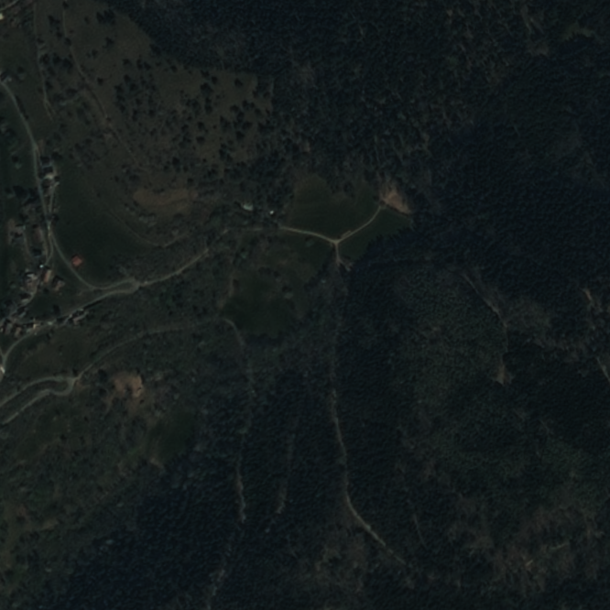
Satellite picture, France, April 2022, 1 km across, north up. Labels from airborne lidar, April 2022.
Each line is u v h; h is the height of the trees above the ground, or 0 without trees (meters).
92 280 0
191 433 0
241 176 16
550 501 11
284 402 12
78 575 17
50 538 14
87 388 0
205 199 15
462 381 17
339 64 34
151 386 21
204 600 15
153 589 29
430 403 13
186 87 0
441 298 17
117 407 21
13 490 10
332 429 18
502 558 11
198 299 11
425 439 15
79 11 0
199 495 25
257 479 11
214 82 14
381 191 16
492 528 10
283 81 15
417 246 21
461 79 31
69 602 22
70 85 0
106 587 19
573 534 22
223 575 12
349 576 17
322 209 0
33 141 0
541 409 11
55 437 0
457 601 14
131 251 0
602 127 31
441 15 35
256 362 23
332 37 32
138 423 17
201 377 32
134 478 15
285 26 26
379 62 36
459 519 10
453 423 13
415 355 11
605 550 17
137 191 0
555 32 19
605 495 17
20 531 0
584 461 16
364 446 16
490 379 11
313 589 15
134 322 11
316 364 15
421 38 33
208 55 22
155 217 9
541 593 21
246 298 0
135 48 0
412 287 16
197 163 11
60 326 0
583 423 12
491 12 35
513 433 16
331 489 15
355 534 16
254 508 10
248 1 30
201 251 16
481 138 27
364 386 17
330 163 22
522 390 9
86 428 0
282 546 19
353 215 0
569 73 28
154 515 25
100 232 0
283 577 13
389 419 19
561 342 28
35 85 0
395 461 21
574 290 29
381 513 22
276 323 0
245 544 13
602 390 15
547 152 23
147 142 0
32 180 0
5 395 9
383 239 0
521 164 26
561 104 25
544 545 20
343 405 14
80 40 0
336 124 35
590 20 24
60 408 0
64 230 0
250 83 0
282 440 12
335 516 10
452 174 29
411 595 19
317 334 20
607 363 22
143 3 17
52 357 0
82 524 18
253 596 17
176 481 34
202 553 7
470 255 17
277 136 11
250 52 27
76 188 0
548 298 26
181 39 23
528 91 18
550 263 32
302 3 26
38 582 17
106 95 0
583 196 34
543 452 17
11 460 9
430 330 14
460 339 16
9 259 0
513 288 23
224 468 13
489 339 20
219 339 21
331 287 17
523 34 24
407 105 37
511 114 20
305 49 25
